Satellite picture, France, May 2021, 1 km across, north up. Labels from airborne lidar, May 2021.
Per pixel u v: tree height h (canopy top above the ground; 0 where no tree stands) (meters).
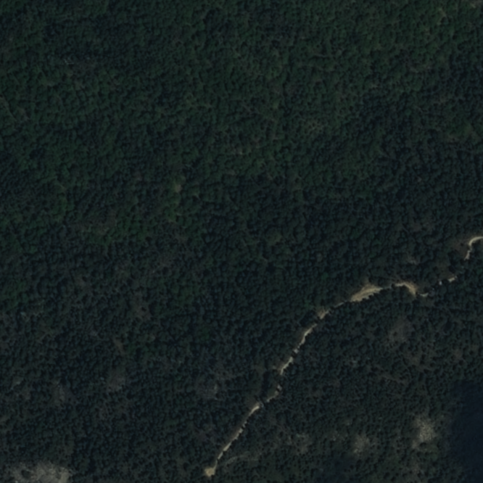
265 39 21
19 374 15
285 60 15
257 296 35
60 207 7
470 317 25
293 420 27
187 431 34
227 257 28
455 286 28
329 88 21
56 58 23
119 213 13
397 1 15
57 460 17
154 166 25
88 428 26
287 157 17
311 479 10
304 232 21
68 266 14
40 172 19
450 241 31
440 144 20
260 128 14
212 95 20
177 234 16
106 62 18
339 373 15
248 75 10
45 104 19
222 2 16
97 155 15
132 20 7
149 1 14
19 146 23
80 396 22
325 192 19
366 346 12
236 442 11
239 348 6
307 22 11
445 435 16
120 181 19
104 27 21
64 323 28
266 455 13
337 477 12
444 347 15
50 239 15
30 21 14
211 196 21
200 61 13
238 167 17
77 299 16
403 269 23
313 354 12
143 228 15
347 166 18
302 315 15
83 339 26
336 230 24
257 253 17
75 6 20
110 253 10
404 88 16
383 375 23
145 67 17
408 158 33
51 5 18
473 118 31
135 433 23
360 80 26
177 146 27
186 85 15
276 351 16
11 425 26
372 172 15
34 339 32
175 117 18
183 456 15
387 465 23
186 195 13
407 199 33
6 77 8
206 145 19
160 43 8
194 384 24
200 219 22
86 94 14
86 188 10
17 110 19
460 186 28
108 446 21
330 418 20
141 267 28
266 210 31
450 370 19
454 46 19
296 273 25
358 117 17
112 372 18
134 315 10
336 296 31
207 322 28
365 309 18
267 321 36
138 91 26
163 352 31
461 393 19
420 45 9
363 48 17
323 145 17
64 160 10
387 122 21
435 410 23
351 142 16
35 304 16
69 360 30
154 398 25
